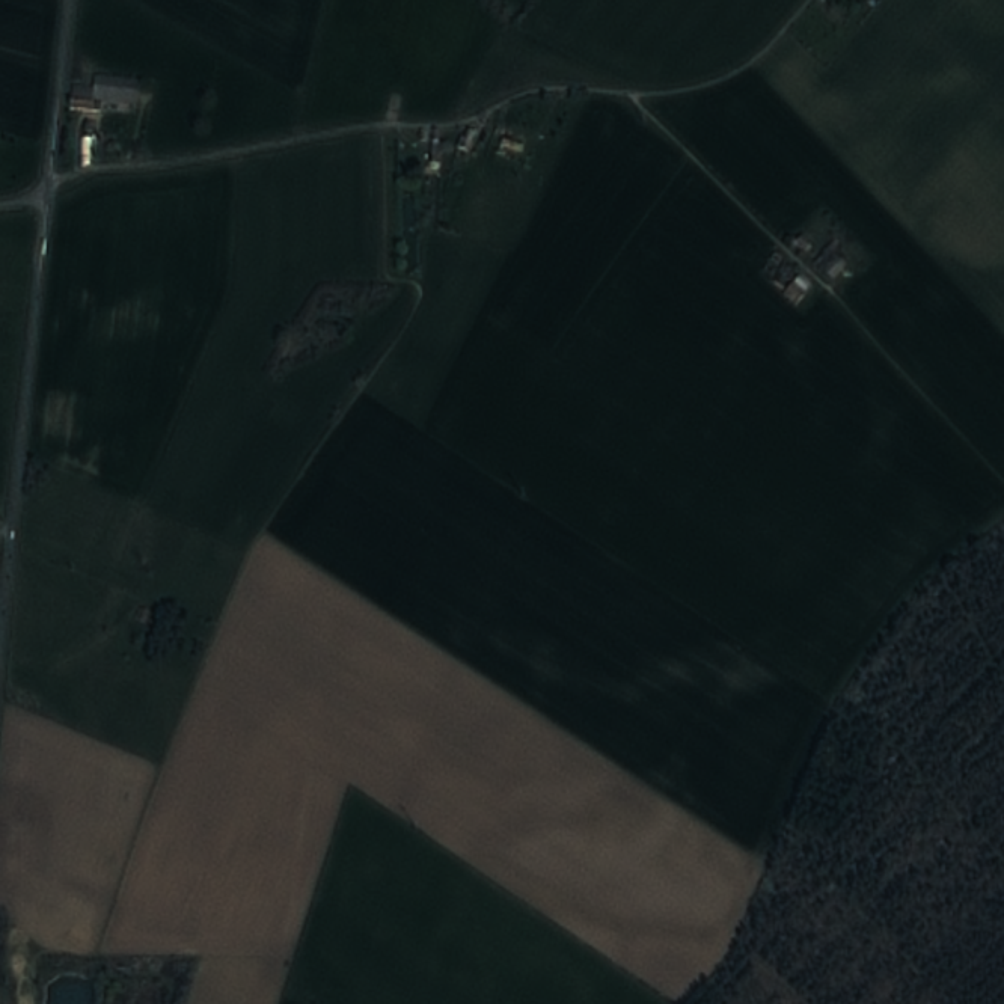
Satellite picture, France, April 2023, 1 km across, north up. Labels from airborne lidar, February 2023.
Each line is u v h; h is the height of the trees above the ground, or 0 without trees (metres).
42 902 0
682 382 0
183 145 0
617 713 0
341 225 0
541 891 0
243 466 0
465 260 0
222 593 0
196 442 0
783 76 0
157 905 0
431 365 0
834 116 0
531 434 0
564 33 0
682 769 0
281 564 0
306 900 0
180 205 0
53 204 0
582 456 0
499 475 0
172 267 0
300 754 0
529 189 0
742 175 0
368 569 0
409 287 0
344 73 0
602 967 0
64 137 9
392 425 0
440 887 0
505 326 0
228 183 0
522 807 0
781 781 0
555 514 0
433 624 0
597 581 0
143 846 0
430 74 0
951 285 0
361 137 0
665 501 0
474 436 0
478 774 0
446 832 0
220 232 0
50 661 0
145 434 0
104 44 0
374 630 0
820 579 0
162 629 11
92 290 0
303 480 0
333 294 0
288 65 0
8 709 0
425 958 0
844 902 14
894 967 14
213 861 0
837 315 0
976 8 0
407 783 0
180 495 0
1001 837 19
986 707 14
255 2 0
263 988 0
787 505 0
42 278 0
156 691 0
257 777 0
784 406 0
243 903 0
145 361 0
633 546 0
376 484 0
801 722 0
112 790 0
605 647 0
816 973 16
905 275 0
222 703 0
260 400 0
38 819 0
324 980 0
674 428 0
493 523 0
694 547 0
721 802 0
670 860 0
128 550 0
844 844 15
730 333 0
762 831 0
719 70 0
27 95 0
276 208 0
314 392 0
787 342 0
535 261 0
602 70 0
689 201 0
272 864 0
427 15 0
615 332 0
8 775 0
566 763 0
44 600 0
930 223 0
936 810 19
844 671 0
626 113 0
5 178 0
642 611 0
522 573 0
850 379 0
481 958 0
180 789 0
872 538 0
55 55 0
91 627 0
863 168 0
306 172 0
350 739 0
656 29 0
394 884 0
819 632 0
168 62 0
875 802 17
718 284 0
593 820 0
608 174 0
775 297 0
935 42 0
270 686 0
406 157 0
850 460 0
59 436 0
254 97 0
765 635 0
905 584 0
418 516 0
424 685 0
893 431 0
